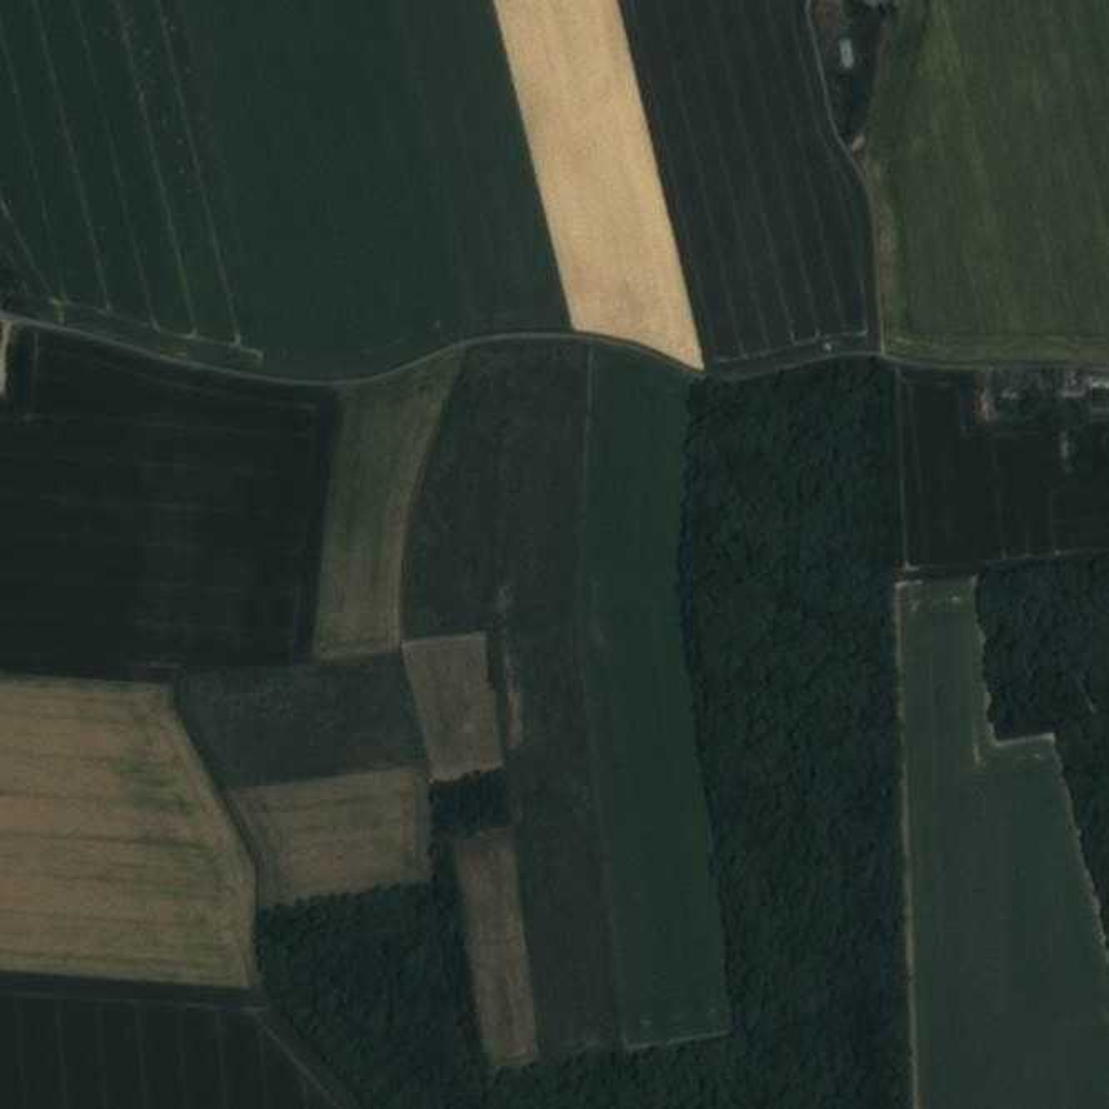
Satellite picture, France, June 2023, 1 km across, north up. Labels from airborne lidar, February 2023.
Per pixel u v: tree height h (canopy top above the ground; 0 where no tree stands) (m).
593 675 0
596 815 0
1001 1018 0
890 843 22
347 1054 19
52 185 0
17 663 0
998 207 0
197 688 0
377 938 22
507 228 0
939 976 0
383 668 0
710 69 0
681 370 0
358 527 0
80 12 0
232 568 0
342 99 0
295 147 0
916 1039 0
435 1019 16
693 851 0
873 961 17
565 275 0
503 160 0
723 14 0
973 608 0
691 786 0
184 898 0
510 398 0
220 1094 0
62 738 0
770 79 0
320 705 0
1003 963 0
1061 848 0
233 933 0
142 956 0
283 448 0
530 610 0
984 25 0
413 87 0
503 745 0
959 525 0
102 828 0
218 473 0
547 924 0
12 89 0
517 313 0
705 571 22
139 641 0
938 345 0
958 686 0
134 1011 0
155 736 0
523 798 0
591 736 0
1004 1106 0
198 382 0
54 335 0
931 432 0
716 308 0
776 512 23
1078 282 0
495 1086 15
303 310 0
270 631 0
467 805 7
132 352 0
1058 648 25
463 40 0
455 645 0
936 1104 0
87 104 0
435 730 0
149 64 0
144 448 0
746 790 9
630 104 0
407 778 0
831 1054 12
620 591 0
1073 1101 0
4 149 0
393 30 0
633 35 0
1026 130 0
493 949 0
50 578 0
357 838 0
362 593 0
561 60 0
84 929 0
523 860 0
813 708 21
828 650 21
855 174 0
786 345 0
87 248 0
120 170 0
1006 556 0
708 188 0
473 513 0
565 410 0
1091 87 0
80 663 0
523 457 0
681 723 0
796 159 0
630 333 0
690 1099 23
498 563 0
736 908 14
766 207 0
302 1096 0
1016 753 0
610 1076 21
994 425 0
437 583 0
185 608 0
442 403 0
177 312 0
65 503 0
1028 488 0
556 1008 0
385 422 0
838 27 0
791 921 20
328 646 0
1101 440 0
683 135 0
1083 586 24
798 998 22
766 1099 19
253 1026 0
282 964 16
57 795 0
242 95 0
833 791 22
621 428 0
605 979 0
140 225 0
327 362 0
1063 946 0
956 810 0
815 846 19
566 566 0
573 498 0
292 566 0
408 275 0
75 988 0
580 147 0
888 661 17
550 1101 20
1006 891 0
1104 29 0
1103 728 25
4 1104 0
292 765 0
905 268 0
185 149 0
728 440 20
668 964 0
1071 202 0
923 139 0
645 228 0
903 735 17
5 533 0
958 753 0
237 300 0
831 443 21
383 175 0
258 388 0
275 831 0
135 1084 0
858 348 0
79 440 0
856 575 23
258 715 0
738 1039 19
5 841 0
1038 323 0
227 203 0
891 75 0
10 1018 0
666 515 0
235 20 0
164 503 0
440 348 0
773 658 22
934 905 0
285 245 0
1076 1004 0
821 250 0
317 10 0
